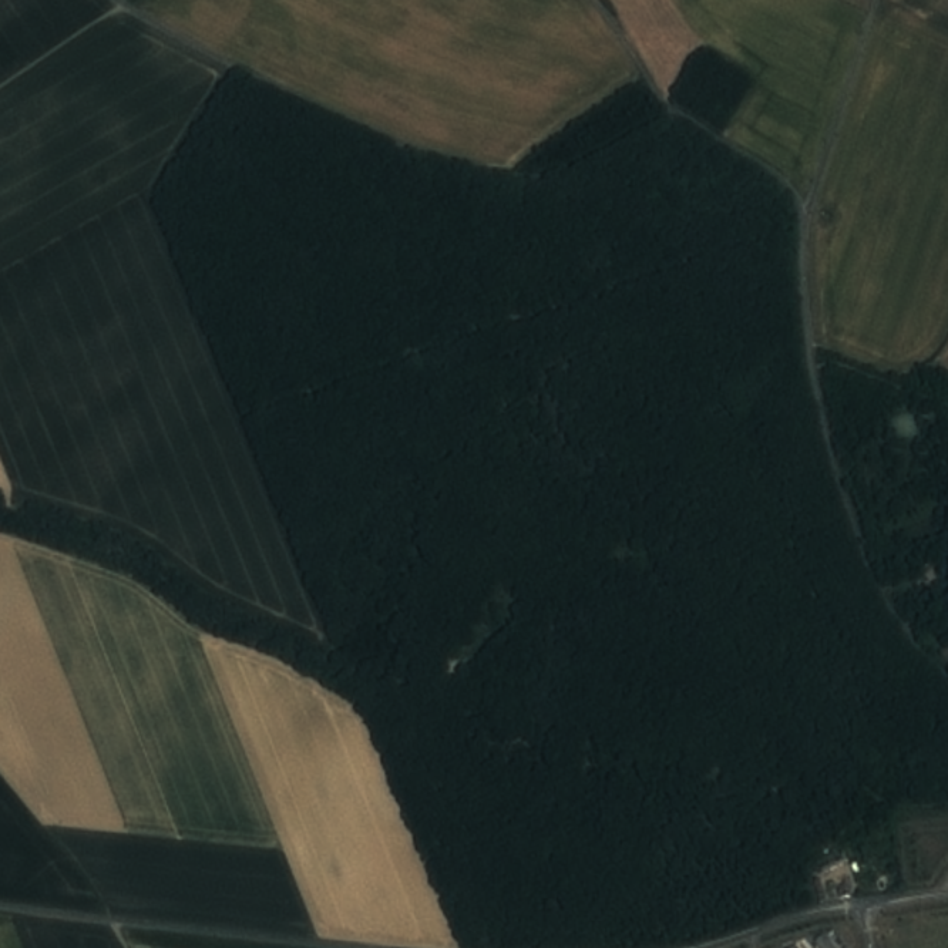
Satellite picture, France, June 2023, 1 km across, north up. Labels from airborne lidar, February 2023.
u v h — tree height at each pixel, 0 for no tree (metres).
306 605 0
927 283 0
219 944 0
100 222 0
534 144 0
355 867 0
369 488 22
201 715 0
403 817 12
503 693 17
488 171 15
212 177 21
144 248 0
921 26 0
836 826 25
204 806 0
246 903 0
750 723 18
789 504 15
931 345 0
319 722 0
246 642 11
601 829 18
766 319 21
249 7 0
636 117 9
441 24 0
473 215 23
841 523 22
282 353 19
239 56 0
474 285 16
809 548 18
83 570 0
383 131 0
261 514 0
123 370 0
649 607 17
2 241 0
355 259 21
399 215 24
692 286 22
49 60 0
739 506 15
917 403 14
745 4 0
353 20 0
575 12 0
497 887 20
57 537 16
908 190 0
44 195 0
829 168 0
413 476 19
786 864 22
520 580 17
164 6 0
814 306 0
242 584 0
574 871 20
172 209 17
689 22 0
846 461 13
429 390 21
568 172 12
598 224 18
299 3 0
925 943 0
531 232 18
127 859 0
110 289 0
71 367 0
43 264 0
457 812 18
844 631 19
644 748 22
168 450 0
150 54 0
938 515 15
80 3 0
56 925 0
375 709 16
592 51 0
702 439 21
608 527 19
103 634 0
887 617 25
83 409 0
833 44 0
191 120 0
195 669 0
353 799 0
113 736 0
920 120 0
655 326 19
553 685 17
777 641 17
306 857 0
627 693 17
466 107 0
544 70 0
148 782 0
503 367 19
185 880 0
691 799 21
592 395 19
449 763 19
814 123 0
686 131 17
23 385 0
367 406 22
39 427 0
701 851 21
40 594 0
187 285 15
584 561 17
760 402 18
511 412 13
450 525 22
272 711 0
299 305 19
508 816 19
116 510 0
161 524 0
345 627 17
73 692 0
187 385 0
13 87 0
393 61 0
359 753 0
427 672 22
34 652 0
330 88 0
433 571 21
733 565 17
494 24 0
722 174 20
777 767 16
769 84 0
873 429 9
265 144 21
